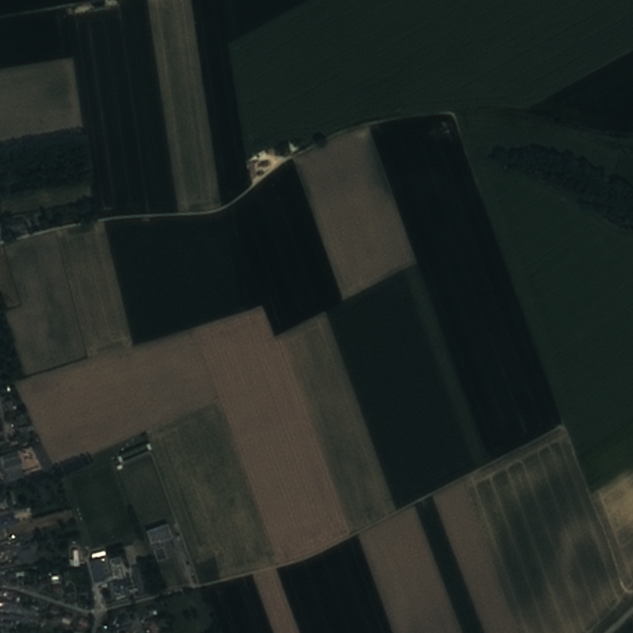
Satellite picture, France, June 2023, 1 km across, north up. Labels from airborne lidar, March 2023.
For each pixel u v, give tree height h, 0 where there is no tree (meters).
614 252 0
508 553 0
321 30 0
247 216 0
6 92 0
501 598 0
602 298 0
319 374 0
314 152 0
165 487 0
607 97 0
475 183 0
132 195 0
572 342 0
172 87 0
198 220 0
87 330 0
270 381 0
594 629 0
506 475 0
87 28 0
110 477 0
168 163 0
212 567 0
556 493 0
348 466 0
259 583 0
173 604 0
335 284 0
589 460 0
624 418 0
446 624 0
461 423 0
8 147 16
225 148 0
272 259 0
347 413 0
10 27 0
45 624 0
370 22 0
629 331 0
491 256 0
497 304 0
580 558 0
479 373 0
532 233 0
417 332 0
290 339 0
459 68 0
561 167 16
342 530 0
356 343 0
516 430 0
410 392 0
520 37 0
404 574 0
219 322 0
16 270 0
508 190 0
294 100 0
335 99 0
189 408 0
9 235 17
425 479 0
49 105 0
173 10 0
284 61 0
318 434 0
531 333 0
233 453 0
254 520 0
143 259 0
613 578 0
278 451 0
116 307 0
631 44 0
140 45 0
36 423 0
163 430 0
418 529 0
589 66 0
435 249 0
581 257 0
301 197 0
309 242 0
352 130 0
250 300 0
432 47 0
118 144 0
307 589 0
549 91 0
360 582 0
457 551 0
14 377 0
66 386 0
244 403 0
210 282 0
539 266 0
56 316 0
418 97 0
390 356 0
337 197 0
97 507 0
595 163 0
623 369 0
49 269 0
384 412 0
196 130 0
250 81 0
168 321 0
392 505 0
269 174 0
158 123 0
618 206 9
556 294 0
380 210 0
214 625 7
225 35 0
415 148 0
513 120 0
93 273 0
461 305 0
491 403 0
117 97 0
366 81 0
